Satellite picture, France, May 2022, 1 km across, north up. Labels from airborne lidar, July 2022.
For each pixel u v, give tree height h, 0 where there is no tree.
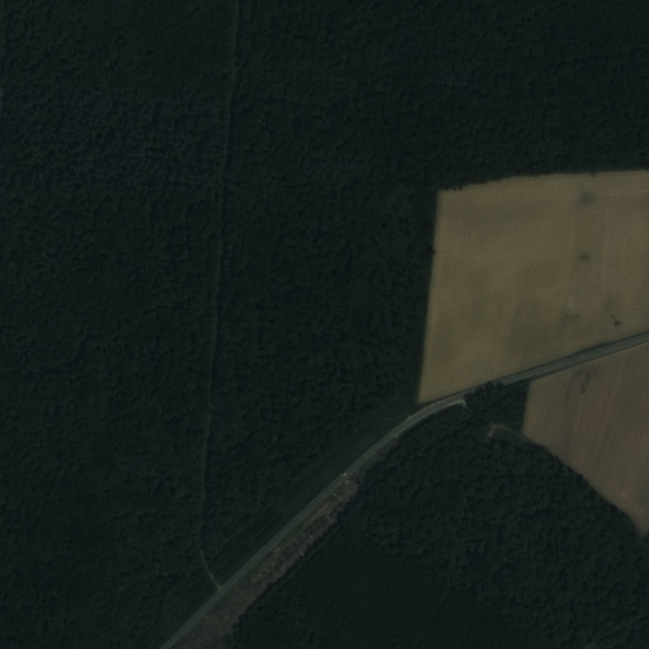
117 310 24
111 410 29
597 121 28
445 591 11
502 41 19
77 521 27
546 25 16
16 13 22
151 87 25
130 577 25
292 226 26
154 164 29
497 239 0
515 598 21
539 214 0
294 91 16
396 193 27
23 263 28
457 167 27
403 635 10
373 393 6
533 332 0
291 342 30
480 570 30
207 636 0
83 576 24
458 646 10
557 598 24
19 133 31
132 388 26
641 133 31
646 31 18
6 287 27
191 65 23
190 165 7
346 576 10
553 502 24
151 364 28
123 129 11
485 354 0
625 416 0
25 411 26
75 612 23
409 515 27
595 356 0
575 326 0
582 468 0
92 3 28
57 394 26
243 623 13
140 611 23
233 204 23
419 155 28
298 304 26
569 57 17
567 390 0
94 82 25
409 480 25
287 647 9
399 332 28
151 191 22
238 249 25
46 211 27
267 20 25
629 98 25
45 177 11
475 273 0
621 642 23
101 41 28
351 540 13
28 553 25
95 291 28
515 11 24
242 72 16
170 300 22
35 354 29
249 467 29
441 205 0
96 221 26
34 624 27
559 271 0
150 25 24
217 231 18
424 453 19
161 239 25
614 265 0
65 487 28
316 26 23
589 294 0
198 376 25
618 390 0
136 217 27
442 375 0
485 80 30
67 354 25
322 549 12
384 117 29
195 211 29
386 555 13
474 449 25
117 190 30
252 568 0
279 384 27
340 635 11
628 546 23
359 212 25
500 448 16
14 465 21
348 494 0
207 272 25
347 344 24
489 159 24
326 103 12
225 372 26
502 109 25
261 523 7
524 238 0
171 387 23
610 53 14
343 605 11
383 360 27
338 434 21
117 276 23
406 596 11
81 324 23
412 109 27
